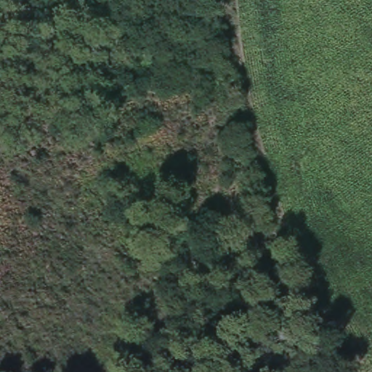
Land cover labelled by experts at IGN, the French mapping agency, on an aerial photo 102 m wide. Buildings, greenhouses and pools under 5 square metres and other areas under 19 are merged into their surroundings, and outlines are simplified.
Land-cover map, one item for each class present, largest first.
<instances>
[{"label":"brushwood","instance_id":"1","mask_svg":"<svg viewBox=\"0 0 372 372\"><path fill-rule=\"evenodd\" d=\"M36 157L26 163L25 169L20 173L13 170L10 174V180L19 183L15 195L10 198V203H16V208H6L7 219L12 222L9 227L1 225L0 228V360L9 353H19L25 360L22 372H33L31 366L42 357L55 360L54 372H62V366L73 353L87 352L83 341L71 337V327L77 323L90 324L96 321H99L100 325H106L109 317L125 321V337L122 340L141 344L151 353L153 360L160 357L158 350L163 347L169 349V340L145 333L153 324L145 317L131 320V315L125 310V304L141 292H155L158 317L166 323L160 331L169 333L177 328L180 337H196L202 340L208 337L212 343L221 346L224 340L217 334L219 321L225 315L240 317L248 311L250 305L244 301L240 289L235 288V283L237 280H250L251 276L257 273H263L272 280L273 295L282 298L288 295V286L280 280L276 272V260L270 254V250H267L266 243L264 234L256 231L247 238L248 251L259 250L262 253V257L256 263L251 266L238 264L240 251H231L222 257L205 266L199 260L193 259L192 251L180 253L176 238L173 234L170 235L169 250L176 257L161 263L158 272L148 270L141 260L129 256L134 228L125 217V209L131 208L132 202L129 201H132L134 195L124 192L125 196L118 198L109 192L106 201L108 208L102 209L100 214L96 215V219H90L84 209L76 211V206L68 201V195L78 198L81 195L80 183L74 177H65L62 171L76 169L73 158L87 161L94 153V141L87 144L83 150L65 151L67 148L64 138L58 135L52 137L48 129H42L41 134V144L36 145ZM218 266L222 273L230 272L232 276L228 286L224 288H215L206 282L179 285V279L189 272L193 275H206L215 272ZM219 169L222 170L219 176V193H234L243 190L250 182L263 179L264 174L259 170L254 157L243 164L240 160L227 155L219 164ZM320 341L317 344V353H312L311 356L299 347L291 360L283 359L280 353L267 352L254 360L250 369L244 365L240 353H230L228 362L231 366H237L240 372H359V360H346L337 353V347L341 346L344 339L343 334L337 330H323L318 336Z\"/></svg>","mask_w":372,"mask_h":372},{"label":"coniferous trees","instance_id":"2","mask_svg":"<svg viewBox=\"0 0 372 372\"><path fill-rule=\"evenodd\" d=\"M124 33L113 19L108 4L97 0H0V119L7 118L10 125L4 128V132L15 139L23 137L22 132L26 129H35L41 134L42 129H48L51 125H61L62 131H70L78 137H92L96 128H99L100 132L109 131L121 124L122 103L126 100L124 89L116 83L112 71L116 65L125 64L128 67L137 55L129 51L128 42L119 38ZM97 174L115 180L118 189L124 192L134 195L132 201H129L132 202L131 208L125 209V217L134 228L129 256L141 260L148 270L158 272L161 263L176 257L169 250L170 235L173 234L176 238L179 237L180 231L186 230L189 222L195 221L196 218L192 214V206L198 199V192L195 187L189 185L187 177L177 170L176 166L167 170L161 169L158 174L139 177L135 170L129 169L125 163L115 161V169H103ZM221 240L218 250L222 257L231 251H240L238 264L251 266L256 263L262 257V253L259 250L248 251L247 238L256 231L254 224L247 227L246 222L238 219L237 215L222 217L215 231ZM267 250H270V254L276 260V272L280 280L288 286V295L282 298L273 295L272 280L263 273H257L251 276L250 280H237L235 283V288L240 289L244 301L250 305L248 311L240 317L225 315L219 321L217 334L224 340L221 346L212 343L208 337L202 340L196 337H180L177 328L169 333V349L163 347L158 350L160 357L153 360V365L142 366L141 360L132 353L119 352L115 366L124 368L125 372H240L237 366H231L228 362L230 353H240L244 365L250 369L254 360L267 352L280 353L283 359L291 360L299 347L311 356L312 353H317V344L320 341L318 336L323 330L318 325L323 323V317L314 314L310 308L317 302V298L312 296L304 299L299 294L301 286L310 283L312 269L302 254H299L295 235H285L278 238L275 243H266ZM232 276L230 272L222 273L218 266L215 272L206 275H193L189 272L179 279V285L206 282L215 288H224L228 286Z\"/></svg>","mask_w":372,"mask_h":372},{"label":"agricultural land","instance_id":"3","mask_svg":"<svg viewBox=\"0 0 372 372\"><path fill-rule=\"evenodd\" d=\"M234 51L241 64L246 65L251 80L248 93L250 108L257 118V147L269 161L270 169L275 171L278 179V217L283 218L288 211L305 212L308 228L321 241L318 260L325 272V278L321 279V289L327 301L325 312H337L339 320L347 323L346 330L352 334L344 339L341 346L337 347V353L346 360H359V372H372V0H238Z\"/></svg>","mask_w":372,"mask_h":372},{"label":"herbaceous vegetation","instance_id":"4","mask_svg":"<svg viewBox=\"0 0 372 372\"><path fill-rule=\"evenodd\" d=\"M224 13L221 16L222 31L215 39L228 46V58L225 61L230 62L231 67L240 74L237 80L232 81L231 87H240L248 93L251 80L246 65L241 64L234 51L238 0H215ZM193 103L187 94L171 100H158L154 93L148 92L147 96L126 100L122 103L121 124L109 131L100 132L99 128H96L92 137H78L70 131H62L61 125H51L48 129L52 137L58 135L64 138L67 148L65 151L83 150L87 144L94 141V153L87 161L73 158L76 169L62 171L65 177H74L80 183L81 195L78 198L68 195V201L76 206V211L84 209L90 219H96V215L100 214L102 209L108 208L106 201L109 192L118 198L125 196L124 192L118 189L115 180L97 174L103 169H115V161L125 163L129 169L135 170L139 177L158 174L161 169L167 170L176 166L177 170L187 177L189 185L195 187L198 192V199L192 206V214L196 218L208 211L218 212L222 217L237 215L238 219L246 222L247 227L254 224L253 217L246 214L240 199L234 193H219V176L222 170L219 169V164L227 155L219 150V134L232 122H244L250 134L251 150L256 155L254 157L259 170L264 174L263 179L264 186L269 187L272 222L279 228L278 231L264 234L266 243H275L278 238L285 235H295L299 254H302L312 269L310 283L301 286L299 294L304 299L312 296L317 298V302L310 308L314 314L323 317V323L318 325L323 330H337L343 334L344 339L352 334L346 330L347 323L339 320L337 312H325L327 301L321 289V279L325 278V272L318 260L321 241L308 228L305 212L288 211L283 218L278 217V179L275 171L270 169L269 161L257 147V118L250 108L237 109L234 115L228 116L219 110L217 102H212L208 109L192 116L190 112ZM151 118L160 121V129L147 137L137 138L135 131L139 122H147ZM10 125L7 118L0 119V228L1 225L9 227L12 222L7 219L6 208H16V203H10V198L15 195L19 183L10 180V174L13 170L20 173L25 169L26 163L36 157V145L41 144V134L35 129H26L22 132L23 137L15 139L4 132V128ZM125 310L131 315V320L145 317L153 324L145 333L169 340V333L160 331L166 323L158 317L155 292H141L125 304ZM125 321L109 317L106 325H100L99 321H96L90 324L77 323L71 327V337L83 341L87 352L73 353L62 366V372H125L124 368L115 366L119 352L132 353L141 360L142 366L153 365V360L151 353L141 344L122 340L125 337ZM25 360L19 353H9L0 360V372H22ZM33 372H54L55 360L42 357L31 366Z\"/></svg>","mask_w":372,"mask_h":372},{"label":"deciduous trees","instance_id":"5","mask_svg":"<svg viewBox=\"0 0 372 372\"><path fill-rule=\"evenodd\" d=\"M108 4L113 19L124 33L119 38L128 42L129 51L137 55L128 67L125 64L116 65L112 71L116 83L124 89L126 100L147 96L148 92L154 93L158 100H171L187 94L193 103L190 112L192 116L208 109L212 102H217L219 110L228 116L234 115L237 109L250 108L248 93L240 87H231L232 81L237 80L240 74L231 67L230 62L225 61L228 58V46L215 39L222 31L221 16L224 13L215 0H97ZM160 129V121L151 118L147 122H139L135 131L137 138L147 137ZM219 150L227 155L240 160L243 164L254 157L256 155L251 150L250 134L244 122H232L219 134ZM240 199L246 214L253 217L254 224L256 231L264 234L278 231L279 228L272 222L269 187L264 186L263 179L250 182L243 190L234 193ZM222 217L218 212L208 211L196 218L195 221L189 222L186 230L180 231L179 237L176 238L180 253L192 251L193 259L199 260L205 266L222 257L218 250L221 240L215 231Z\"/></svg>","mask_w":372,"mask_h":372}]
</instances>
